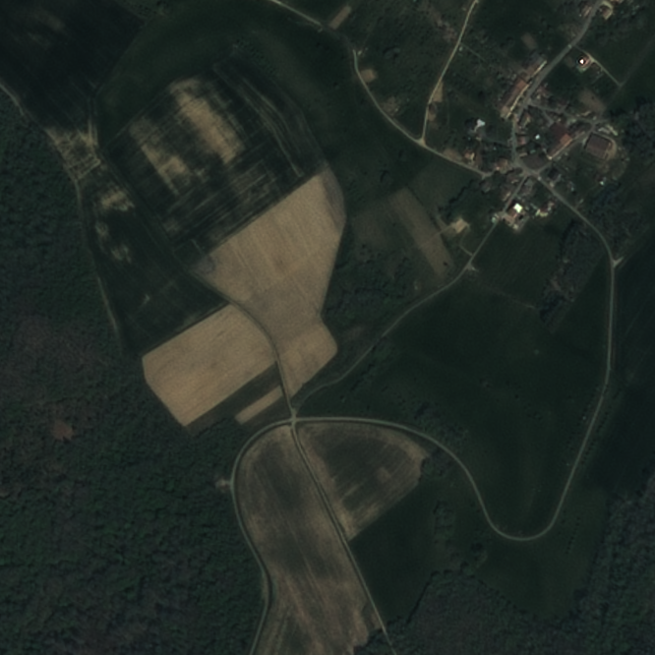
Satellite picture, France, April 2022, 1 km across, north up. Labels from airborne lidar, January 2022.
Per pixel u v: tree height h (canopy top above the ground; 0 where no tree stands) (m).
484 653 19
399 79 0
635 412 0
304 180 0
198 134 0
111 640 12
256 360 0
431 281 0
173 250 0
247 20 0
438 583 13
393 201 0
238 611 13
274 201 0
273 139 0
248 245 0
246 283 0
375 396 0
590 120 0
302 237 0
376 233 0
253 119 0
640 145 19
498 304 0
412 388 0
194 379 0
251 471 0
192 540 8
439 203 0
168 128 0
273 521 0
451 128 0
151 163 0
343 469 0
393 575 0
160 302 0
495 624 20
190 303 0
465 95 0
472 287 0
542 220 0
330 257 0
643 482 0
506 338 0
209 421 0
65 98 0
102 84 0
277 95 0
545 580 0
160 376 0
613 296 0
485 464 0
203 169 0
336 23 0
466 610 17
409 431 0
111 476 24
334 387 0
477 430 0
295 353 0
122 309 0
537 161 0
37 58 0
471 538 0
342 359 0
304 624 0
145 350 0
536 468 0
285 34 0
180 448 20
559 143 0
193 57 0
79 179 0
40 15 0
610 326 0
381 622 0
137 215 0
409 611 0
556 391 0
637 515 20
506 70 0
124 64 0
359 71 0
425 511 0
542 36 0
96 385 14
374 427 0
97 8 0
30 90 0
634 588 26
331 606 0
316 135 0
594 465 0
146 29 0
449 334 0
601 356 0
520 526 0
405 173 0
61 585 22
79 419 7
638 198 0
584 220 0
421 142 0
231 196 0
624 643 28
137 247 0
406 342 0
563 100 0
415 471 0
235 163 0
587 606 23
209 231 0
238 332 0
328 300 0
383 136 0
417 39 0
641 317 0
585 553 0
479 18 0
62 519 28
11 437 12
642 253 0
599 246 18
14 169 26
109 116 0
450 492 0
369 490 0
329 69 0
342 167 0
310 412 0
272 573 0
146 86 0
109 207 0
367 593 0
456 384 0
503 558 0
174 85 0
